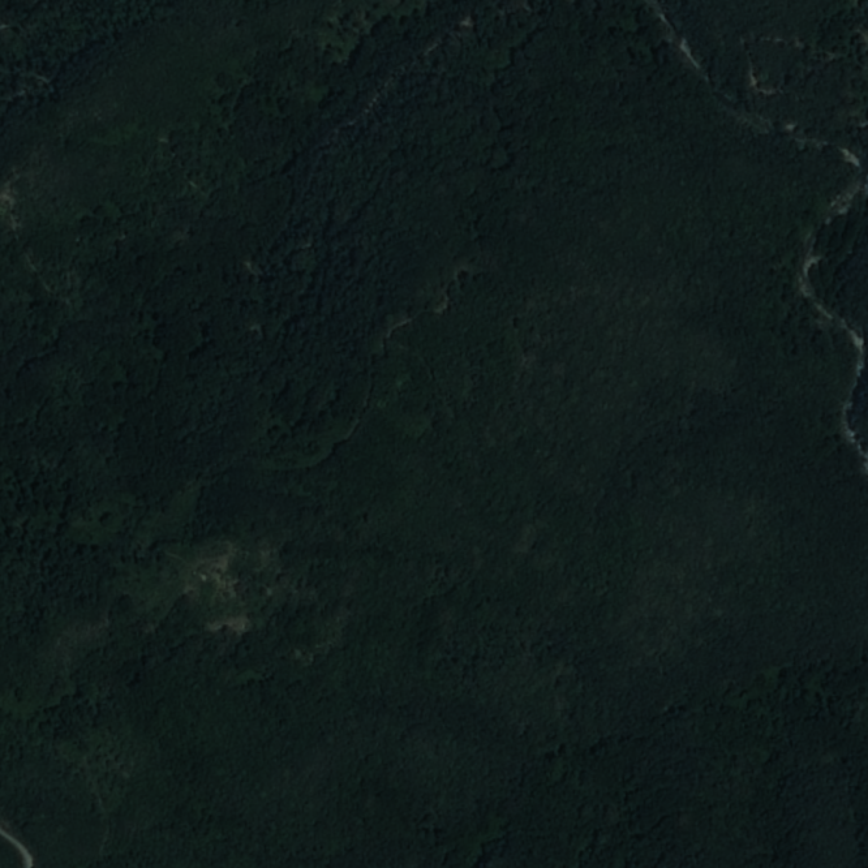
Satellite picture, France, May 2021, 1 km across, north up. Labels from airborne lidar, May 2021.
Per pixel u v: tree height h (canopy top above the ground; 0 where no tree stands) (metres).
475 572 11
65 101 11
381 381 11
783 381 10
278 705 12
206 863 10
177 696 17
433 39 22
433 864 22
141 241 14
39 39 10
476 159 13
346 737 13
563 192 11
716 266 13
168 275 19
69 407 21
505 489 8
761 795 14
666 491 10
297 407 17
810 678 16
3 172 8
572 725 19
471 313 7
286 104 23
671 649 15
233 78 8
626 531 11
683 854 10
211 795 10
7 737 9
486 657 18
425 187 12
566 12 21
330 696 19
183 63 6
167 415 20
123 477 15
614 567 15
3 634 11
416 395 13
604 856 22
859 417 12
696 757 8
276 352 13
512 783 28
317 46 15
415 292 6
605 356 7
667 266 11
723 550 11
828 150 15
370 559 16
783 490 18
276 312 22
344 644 7
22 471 16
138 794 6
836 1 10
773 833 19
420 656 18
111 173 9
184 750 9
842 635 19
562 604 11
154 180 11
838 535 13
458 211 12
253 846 18
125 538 7
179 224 21
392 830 28
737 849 9
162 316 16
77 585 10
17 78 16
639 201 7
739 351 17
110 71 10
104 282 17
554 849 8
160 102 8
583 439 9
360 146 15
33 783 10
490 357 8
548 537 11
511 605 22
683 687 22
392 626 10
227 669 15
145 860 12
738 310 21
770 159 16
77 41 21
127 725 10
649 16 27
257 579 10
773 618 18
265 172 18
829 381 13
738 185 10
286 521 6
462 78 14
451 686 17
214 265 29
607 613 13
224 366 8
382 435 9
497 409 9
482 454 6
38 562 17
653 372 6
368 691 15
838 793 10
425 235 8
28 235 8
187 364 17
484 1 23
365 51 35
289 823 16
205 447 8
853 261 15
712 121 22
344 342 13
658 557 10
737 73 17
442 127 7
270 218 24
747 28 15
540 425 13
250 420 8
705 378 12
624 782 11
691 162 9
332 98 24
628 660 12
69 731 12
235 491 8
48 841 6
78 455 13
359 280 7
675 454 19
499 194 19
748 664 18
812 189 11
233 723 9
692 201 11
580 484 10
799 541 15
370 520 14
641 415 13
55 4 28
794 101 17
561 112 17
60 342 17
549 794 9
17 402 16
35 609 13
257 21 7
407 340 8
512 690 14
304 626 16
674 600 10
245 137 15
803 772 15
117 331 17
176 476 16
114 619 12
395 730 11
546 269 7
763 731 6
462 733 16
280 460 10
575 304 9
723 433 21
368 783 18
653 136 16
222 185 11
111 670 22
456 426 7
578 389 12
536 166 10
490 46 16
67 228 11
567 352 14
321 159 15
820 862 9
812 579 18
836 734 24
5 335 13
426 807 18
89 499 6
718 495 7
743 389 17
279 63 16
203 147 17
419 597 15
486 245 18
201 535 8
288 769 10
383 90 16
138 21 13
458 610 16
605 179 8
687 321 11
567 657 22
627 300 12
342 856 20
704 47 15
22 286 10
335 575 9
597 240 7
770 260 16
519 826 9
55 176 5
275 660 17
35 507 18
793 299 24
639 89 20
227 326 20
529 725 18
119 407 19
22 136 7
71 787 7
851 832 11
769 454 20
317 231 10
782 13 9
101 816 13
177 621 7
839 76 17
